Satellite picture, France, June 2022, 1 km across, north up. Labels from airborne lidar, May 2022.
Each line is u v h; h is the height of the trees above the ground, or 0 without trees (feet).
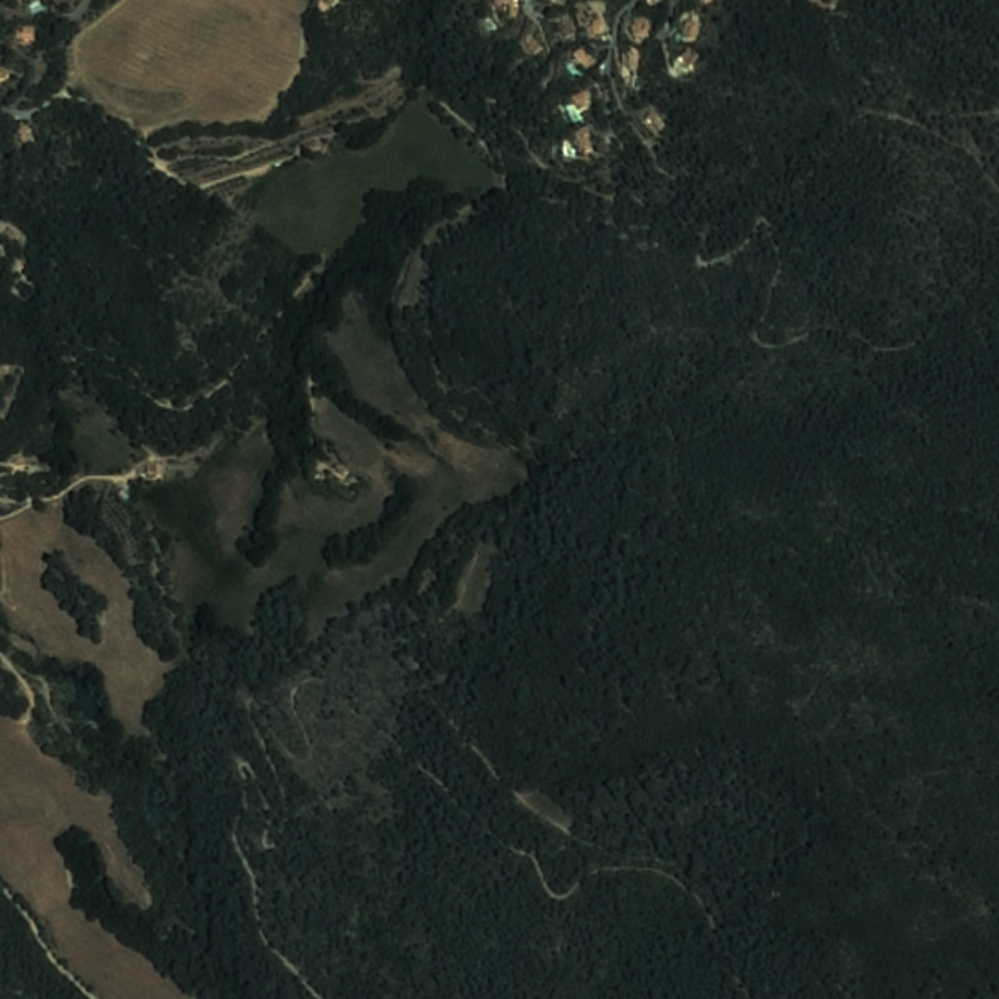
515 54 23
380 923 25
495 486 0
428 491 0
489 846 54
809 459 24
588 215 33
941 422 20
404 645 21
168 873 41
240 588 0
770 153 20
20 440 33
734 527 23
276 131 40
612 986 23
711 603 21
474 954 26
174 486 0
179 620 26
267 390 31
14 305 42
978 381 27
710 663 19
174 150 19
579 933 29
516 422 28
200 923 44
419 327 31
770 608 20
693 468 21
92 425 0
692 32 0
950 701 21
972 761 26
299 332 31
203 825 28
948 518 39
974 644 36
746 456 40
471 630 27
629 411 42
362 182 0
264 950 22
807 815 21
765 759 24
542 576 46
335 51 25
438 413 45
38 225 41
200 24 0
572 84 22
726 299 20
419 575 44
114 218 31
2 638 36
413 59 39
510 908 19
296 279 24
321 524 0
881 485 26
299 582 55
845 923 19
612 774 36
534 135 19
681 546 27
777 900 23
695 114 23
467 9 43
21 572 0
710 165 38
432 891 31
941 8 29
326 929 23
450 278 26
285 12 0
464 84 23
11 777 0
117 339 19
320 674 40
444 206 36
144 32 0
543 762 32
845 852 28
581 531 41
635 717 23
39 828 0
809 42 26
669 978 31
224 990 40
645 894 20
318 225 0
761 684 18
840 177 29
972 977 18
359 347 0
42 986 20
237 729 34
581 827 38
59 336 36
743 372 21
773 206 37
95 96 0
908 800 28
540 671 26
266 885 39
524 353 25
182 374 29
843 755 17
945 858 21
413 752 31
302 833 20
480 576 0
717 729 22
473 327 27
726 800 44
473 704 48
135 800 42
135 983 0
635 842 40
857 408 30
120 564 33
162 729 42
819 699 18
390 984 47
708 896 19
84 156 18
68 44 26
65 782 0
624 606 30
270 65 0
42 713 32
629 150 27
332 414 0
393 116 38
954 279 28
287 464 45
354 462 0
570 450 27
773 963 42
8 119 31
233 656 31
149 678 0
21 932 33
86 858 52
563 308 20
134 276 23
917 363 47
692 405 34
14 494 30
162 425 65
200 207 37
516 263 28
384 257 43
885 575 19
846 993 31
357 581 0
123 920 62
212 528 0
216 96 0
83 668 32
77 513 36
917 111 41
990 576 19
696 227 25
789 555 19
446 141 0
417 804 38
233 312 26
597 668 42
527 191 43
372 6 22
